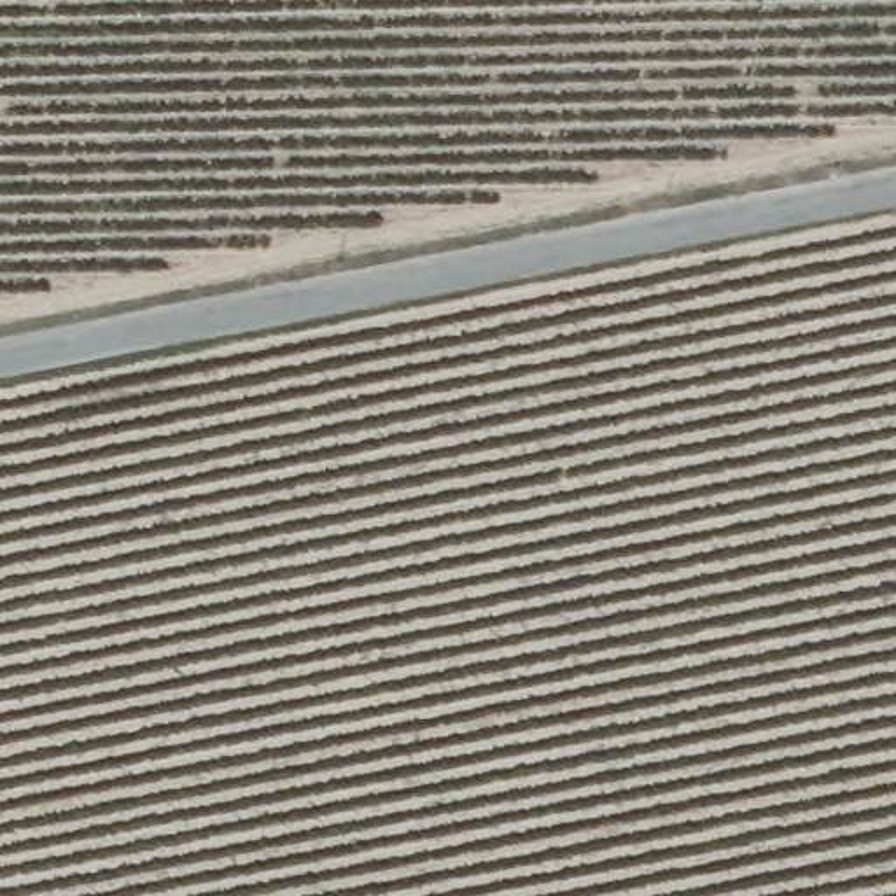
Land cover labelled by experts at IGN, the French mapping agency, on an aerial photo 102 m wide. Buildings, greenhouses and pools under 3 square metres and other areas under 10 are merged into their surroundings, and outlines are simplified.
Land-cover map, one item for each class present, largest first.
<instances>
[{"label":"vineyard","instance_id":"1","mask_svg":"<svg viewBox=\"0 0 896 896\"><path fill-rule=\"evenodd\" d=\"M840 116H896V0H0V298L49 291L53 273L168 270L165 259L172 249H266L277 228H378L389 203H497L504 182H599L592 172H585V161H725L735 140L833 137ZM0 896H896V203L791 221L760 231H739L711 242L648 249L546 273H522L473 287L399 298L333 315H312L280 326L165 343L81 364H60L21 375L0 371Z\"/></svg>","mask_w":896,"mask_h":896},{"label":"impervious surface","instance_id":"2","mask_svg":"<svg viewBox=\"0 0 896 896\"><path fill-rule=\"evenodd\" d=\"M896 203V168L830 175L819 182L781 186L767 193L627 214L585 228L543 231L511 242L343 270L294 284H270L256 291L179 301L147 312H126L112 319L0 340V371L21 375L60 364H81L165 343L280 326L312 315H333L399 298L473 287L522 273H546L648 249L711 242L739 231H760L791 221Z\"/></svg>","mask_w":896,"mask_h":896},{"label":"plowed land","instance_id":"3","mask_svg":"<svg viewBox=\"0 0 896 896\"><path fill-rule=\"evenodd\" d=\"M833 137L735 140L725 161H585V172H592L599 182H504L497 203H389L378 228H277L266 249H172L165 259L168 270L53 273L49 291L0 298V315L35 319L196 284L238 280L266 270H287L336 252L392 249L623 203L651 193H676L690 186H718L749 175L809 168L826 158H865L896 151V116H840Z\"/></svg>","mask_w":896,"mask_h":896},{"label":"herbaceous vegetation","instance_id":"4","mask_svg":"<svg viewBox=\"0 0 896 896\"><path fill-rule=\"evenodd\" d=\"M896 168V151L865 158H826L809 168L749 175L718 186H690L676 193H651L623 203L392 249L336 252L287 270H266L238 280L196 284L35 319L0 315V340L112 319L126 312H147L179 301L256 291L270 284H294L343 270L511 242L543 231L585 228L627 214L767 193L781 186L819 182L830 175Z\"/></svg>","mask_w":896,"mask_h":896}]
</instances>
